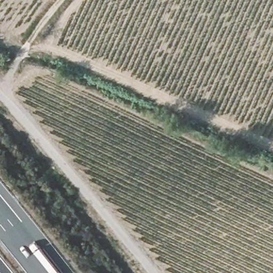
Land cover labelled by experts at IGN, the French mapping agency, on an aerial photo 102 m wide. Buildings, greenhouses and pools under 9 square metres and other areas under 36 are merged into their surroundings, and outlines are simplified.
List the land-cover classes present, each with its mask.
<instances>
[{"label":"vineyard","instance_id":"1","mask_svg":"<svg viewBox=\"0 0 273 273\"><path fill-rule=\"evenodd\" d=\"M65 0H0V38L9 46L21 48L26 42L32 44ZM36 52L30 57L46 59L49 54L52 57H62V73L50 69V74L35 77L32 86H20L16 94L23 108L34 114V121L41 124L51 127V134L62 138V144L68 147V154L75 156L74 165L77 172L83 171L91 175L90 181L98 184L102 193L109 195L107 202L118 206L117 211L126 215L124 221L135 226L134 231L142 235L141 241L151 245L150 252L158 254L157 260L168 264L166 271L171 273H273V165L269 158L262 154L242 161L238 146L228 145L225 139L216 140L213 136L226 128L247 130L252 123L256 125L273 122V0H83L78 12L70 14L65 28L61 29L55 25L51 35L43 43L33 46ZM79 74L97 78L115 89H121L132 97L148 102L152 107L158 108L160 103L172 105L168 113L176 116L174 123L170 125L159 122L149 112H138L125 105V98L118 95L112 97L111 92L102 87L97 92L70 81ZM179 125H186L194 131L208 127L209 136H212L211 144L200 142L188 133L181 132Z\"/></svg>","mask_w":273,"mask_h":273},{"label":"brushwood","instance_id":"2","mask_svg":"<svg viewBox=\"0 0 273 273\"><path fill-rule=\"evenodd\" d=\"M25 128L0 101V171L3 180L9 181L19 194L25 191L29 194L28 198L33 200V207L39 209V216L44 219L43 225L46 228L58 229L60 236L55 239L63 241L65 250L78 253L75 260L83 273H133L124 255L116 251L121 245L119 242L113 237L109 227L95 223L90 218L86 212L87 204L80 196L79 189L64 174L53 170V161L37 150L29 134L23 131Z\"/></svg>","mask_w":273,"mask_h":273},{"label":"impervious surface","instance_id":"3","mask_svg":"<svg viewBox=\"0 0 273 273\"><path fill-rule=\"evenodd\" d=\"M29 194L25 191L19 194L9 181L3 180L0 171V273H83L75 260L78 253L65 250L63 241L55 239L60 236L58 229L46 228L43 225L44 219L39 216V209L33 207V200L28 198Z\"/></svg>","mask_w":273,"mask_h":273},{"label":"plowed land","instance_id":"4","mask_svg":"<svg viewBox=\"0 0 273 273\"><path fill-rule=\"evenodd\" d=\"M83 0H65L32 44L26 42L21 48L9 46L0 38V78L4 77L9 69L14 71L11 83L14 86L12 91L16 94L20 86H32L35 77L50 74V69L31 65L26 60L30 57L36 52L33 46L43 43L51 35L55 25L61 29L65 28L70 14L78 12ZM47 138L58 147L62 156L74 165L75 156L68 154V147L62 144V138L51 134V127L41 124ZM83 181L89 183V187L96 193L103 207L109 209L117 221H122L131 239L134 242L141 241L142 235L134 231L135 226L124 221L126 215L117 211L118 206L107 202L109 195L102 193L98 184L90 181L91 175L83 171L77 172ZM140 250L159 273H171L166 271L168 264L157 260L158 254L150 252L151 245L141 241ZM121 245L116 251L124 255L133 273H146L140 267V262L130 257L127 248L119 242Z\"/></svg>","mask_w":273,"mask_h":273},{"label":"pervious surface","instance_id":"5","mask_svg":"<svg viewBox=\"0 0 273 273\"><path fill-rule=\"evenodd\" d=\"M14 71L9 69L4 77L0 78V101L25 128L23 131L29 134L37 150L53 161V170L64 174L79 189L80 196L87 204L86 212L90 218L95 223L109 227L113 237L119 242L127 248L130 257L140 262V267L146 273H159L140 250L141 241L134 242L131 239L122 221H117L109 209L103 207L96 193L89 187V183L83 181L77 172L74 165L62 156L58 147L47 138L41 124L34 121V114L23 108L16 94L12 91L14 86L11 83Z\"/></svg>","mask_w":273,"mask_h":273},{"label":"deciduous trees","instance_id":"6","mask_svg":"<svg viewBox=\"0 0 273 273\"><path fill-rule=\"evenodd\" d=\"M62 57H52L49 54L46 59L30 57L26 60L31 65L50 69L62 73ZM70 81L97 92L102 87L111 92L112 97L118 95L125 98V105L138 112H149L159 122L170 125L174 123L176 116L168 113L172 105L160 103L158 108L152 107L148 102L132 97L121 89H115L97 78L79 74ZM216 140L225 139L228 145L238 146L242 161L262 154L269 158L273 165V122L256 125L252 123L247 130L226 128L213 136ZM181 132L188 133L200 142L211 144L212 136H209L208 127L194 131L186 125H179Z\"/></svg>","mask_w":273,"mask_h":273}]
</instances>
